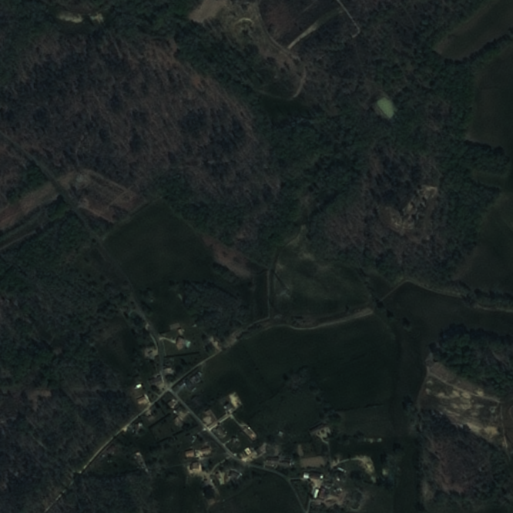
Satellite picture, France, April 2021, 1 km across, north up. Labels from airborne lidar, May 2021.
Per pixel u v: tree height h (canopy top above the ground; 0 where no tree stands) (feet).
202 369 0
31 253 48
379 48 41
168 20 79
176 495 0
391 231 38
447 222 61
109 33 57
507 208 0
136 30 69
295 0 64
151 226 0
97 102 25
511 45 42
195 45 79
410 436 0
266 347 0
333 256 46
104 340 0
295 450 0
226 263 0
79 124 25
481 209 72
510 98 0
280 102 0
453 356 45
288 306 0
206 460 0
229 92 58
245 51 0
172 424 0
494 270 0
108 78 19
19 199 31
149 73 52
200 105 49
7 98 79
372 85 0
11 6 61
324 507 38
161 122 43
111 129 47
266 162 73
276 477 0
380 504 0
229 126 30
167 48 52
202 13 0
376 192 37
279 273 0
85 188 0
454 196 64
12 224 0
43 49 47
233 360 0
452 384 0
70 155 48
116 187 0
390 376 0
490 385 33
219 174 83
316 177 44
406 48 47
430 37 39
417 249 39
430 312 0
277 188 63
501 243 0
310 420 0
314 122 82
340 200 63
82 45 57
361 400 0
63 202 60
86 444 47
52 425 47
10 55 65
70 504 24
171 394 0
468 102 61
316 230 44
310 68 36
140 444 0
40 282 59
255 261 41
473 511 0
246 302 0
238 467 42
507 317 0
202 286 30
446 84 58
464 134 61
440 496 52
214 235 51
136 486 38
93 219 45
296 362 0
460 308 0
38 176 64
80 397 51
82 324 57
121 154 45
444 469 23
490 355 79
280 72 74
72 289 58
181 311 0
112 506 63
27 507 62
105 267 0
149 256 0
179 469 0
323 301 0
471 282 0
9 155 31
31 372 42
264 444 0
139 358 36
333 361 0
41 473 71
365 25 43
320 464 0
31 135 32
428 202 47
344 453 0
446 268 66
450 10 28
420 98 52
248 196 60
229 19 0
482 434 0
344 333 0
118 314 34
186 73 61
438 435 67
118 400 59
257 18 0
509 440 0
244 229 43
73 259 21
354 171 45
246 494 0
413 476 0
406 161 34
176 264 0
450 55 0
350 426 0
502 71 0
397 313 0
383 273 69
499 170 61
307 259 0
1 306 55
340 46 43
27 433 69
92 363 48
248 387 0
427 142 53
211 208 54
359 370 0
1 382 65
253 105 55
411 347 0
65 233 58
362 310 0
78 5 31
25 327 63
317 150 66
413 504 0
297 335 0
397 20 0
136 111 31
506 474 29
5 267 52
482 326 0
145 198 43
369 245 38
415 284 0
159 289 0
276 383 0
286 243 60
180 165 60
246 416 0
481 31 0
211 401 18
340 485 0
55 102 65
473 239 66
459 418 0
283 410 0
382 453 0
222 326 34
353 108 55
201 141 47
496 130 0
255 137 52
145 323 61
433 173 52
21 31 72
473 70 62
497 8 0
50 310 45
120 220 47
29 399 63
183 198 62
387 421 0
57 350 24
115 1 91
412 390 0
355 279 0
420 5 0
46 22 86
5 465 85
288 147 68
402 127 66
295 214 85
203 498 0
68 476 64
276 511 0
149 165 48
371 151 46
